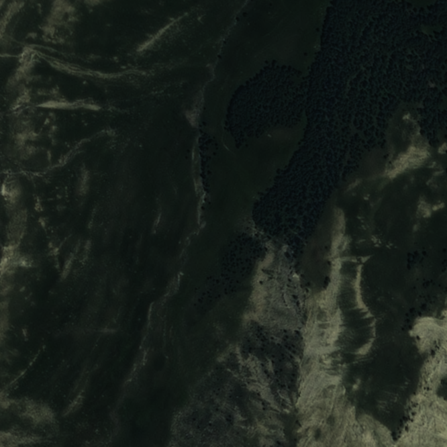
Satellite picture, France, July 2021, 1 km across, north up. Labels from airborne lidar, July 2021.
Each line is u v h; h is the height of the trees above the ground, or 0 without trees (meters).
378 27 19
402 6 8
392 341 0
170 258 0
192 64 0
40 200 0
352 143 10
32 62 0
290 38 0
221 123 0
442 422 0
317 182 7
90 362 0
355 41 17
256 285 0
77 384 0
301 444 0
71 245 0
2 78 0
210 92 0
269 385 0
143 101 0
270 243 0
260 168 0
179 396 0
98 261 0
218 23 0
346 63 16
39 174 0
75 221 0
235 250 6
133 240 0
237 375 0
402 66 20
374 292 0
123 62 0
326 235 0
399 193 0
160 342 0
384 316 0
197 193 0
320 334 0
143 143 0
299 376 0
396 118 0
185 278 0
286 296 0
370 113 12
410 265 15
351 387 0
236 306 0
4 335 0
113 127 0
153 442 0
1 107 0
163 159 0
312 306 0
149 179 0
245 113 15
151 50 0
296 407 0
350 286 0
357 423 0
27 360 0
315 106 7
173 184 0
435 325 0
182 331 0
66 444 0
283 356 7
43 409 0
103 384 0
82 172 0
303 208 15
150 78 0
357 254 0
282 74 15
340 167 9
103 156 0
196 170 0
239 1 0
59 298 0
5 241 0
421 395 0
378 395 0
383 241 0
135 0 0
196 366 0
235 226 0
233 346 0
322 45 11
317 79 15
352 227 0
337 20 20
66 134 0
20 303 0
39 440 0
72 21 0
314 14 0
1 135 0
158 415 0
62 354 0
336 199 0
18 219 0
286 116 12
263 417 0
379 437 0
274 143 0
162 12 0
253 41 0
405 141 0
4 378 0
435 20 20
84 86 0
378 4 19
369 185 0
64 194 0
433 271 0
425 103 17
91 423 0
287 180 14
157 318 0
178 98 0
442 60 23
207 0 0
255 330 0
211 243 0
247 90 13
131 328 0
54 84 0
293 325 0
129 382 0
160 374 0
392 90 22
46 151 0
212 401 0
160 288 0
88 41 0
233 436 0
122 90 0
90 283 0
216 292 0
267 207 10
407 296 0
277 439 0
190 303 0
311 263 0
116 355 0
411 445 0
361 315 0
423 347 0
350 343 0
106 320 0
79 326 0
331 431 0
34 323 0
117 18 0
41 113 0
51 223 0
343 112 12
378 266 0
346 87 13
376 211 0
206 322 0
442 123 24
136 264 0
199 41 0
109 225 0
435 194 0
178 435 0
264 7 0
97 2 0
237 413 0
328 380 0
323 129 8
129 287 0
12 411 0
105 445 0
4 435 0
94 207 0
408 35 18
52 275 0
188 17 0
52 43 0
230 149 0
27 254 0
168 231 0
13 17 0
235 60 0
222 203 0
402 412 0
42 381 0
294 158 6
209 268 0
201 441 0
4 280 0
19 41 0
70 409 0
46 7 0
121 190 0
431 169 0
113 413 0
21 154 0
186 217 0
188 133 0
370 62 20
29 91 0
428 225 0
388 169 0
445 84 9
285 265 0
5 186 0
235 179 0
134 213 0
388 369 0
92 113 0
